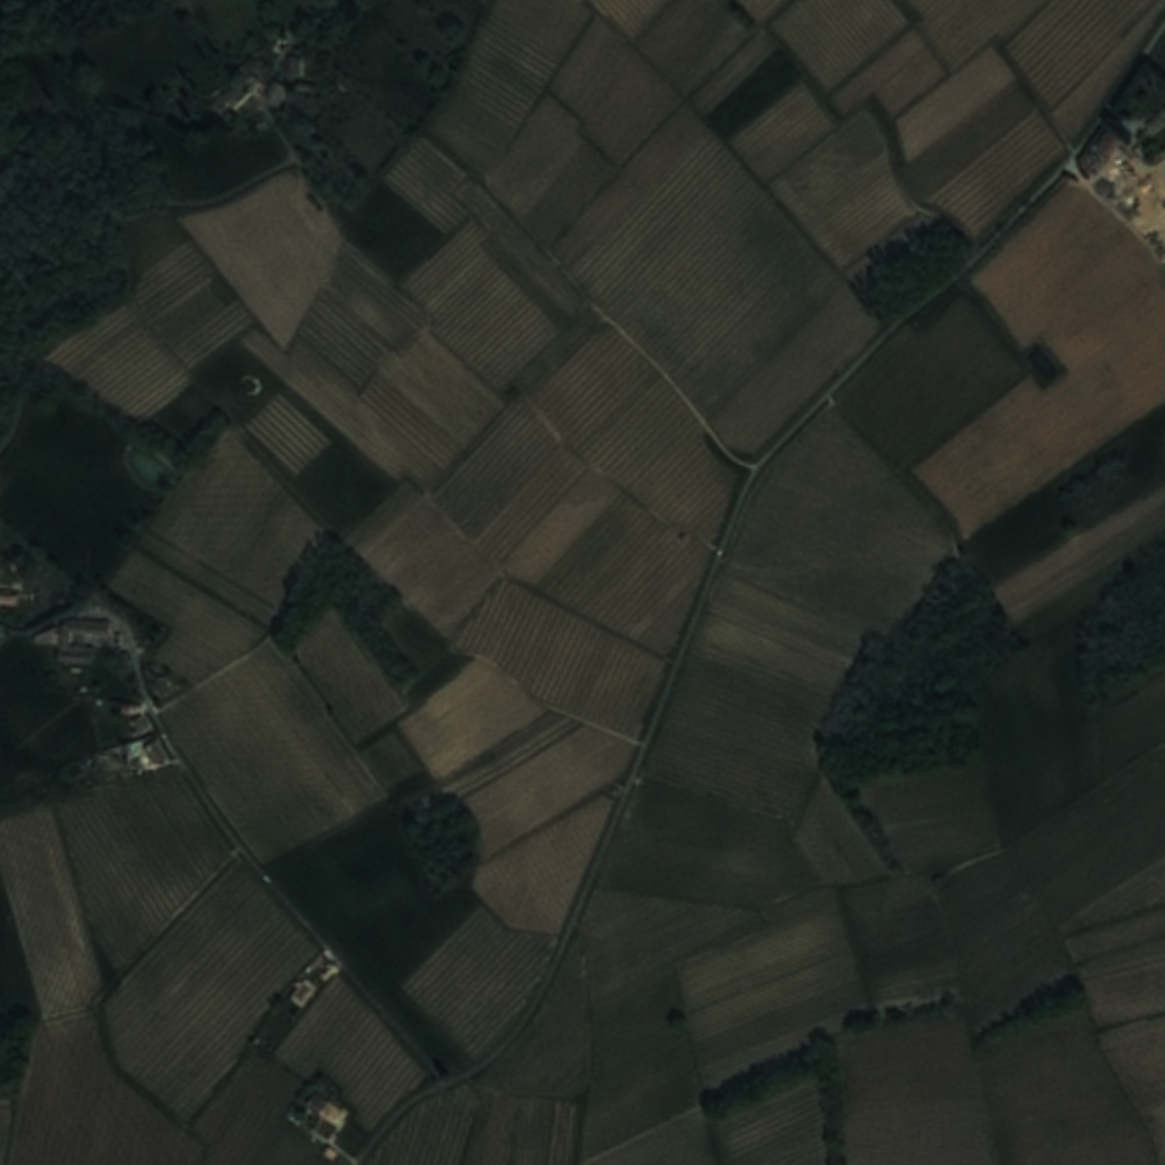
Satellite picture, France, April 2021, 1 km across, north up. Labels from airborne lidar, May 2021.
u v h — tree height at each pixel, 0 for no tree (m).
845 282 0
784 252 0
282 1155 0
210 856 0
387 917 0
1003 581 0
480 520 0
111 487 0
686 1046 0
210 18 0
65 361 0
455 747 0
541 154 0
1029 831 0
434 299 0
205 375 0
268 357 0
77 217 19
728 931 0
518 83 0
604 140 0
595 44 0
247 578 0
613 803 0
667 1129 0
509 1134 0
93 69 18
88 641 8
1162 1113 0
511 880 0
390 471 0
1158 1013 0
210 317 0
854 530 0
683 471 0
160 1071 0
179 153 0
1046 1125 0
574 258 0
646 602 0
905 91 0
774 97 0
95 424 0
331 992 0
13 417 13
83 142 27
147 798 0
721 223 0
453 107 0
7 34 17
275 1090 0
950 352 0
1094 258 0
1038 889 0
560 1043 0
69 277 21
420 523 0
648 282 0
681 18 0
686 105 0
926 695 23
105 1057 0
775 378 0
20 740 0
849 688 14
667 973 0
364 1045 0
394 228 0
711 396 0
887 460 0
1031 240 0
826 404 0
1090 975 0
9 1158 0
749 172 0
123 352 0
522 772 0
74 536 0
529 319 0
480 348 0
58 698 0
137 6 21
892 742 25
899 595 0
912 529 0
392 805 0
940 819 0
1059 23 0
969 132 0
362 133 0
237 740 0
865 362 0
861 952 0
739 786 0
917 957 0
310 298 0
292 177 0
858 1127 0
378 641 14
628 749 0
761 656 0
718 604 0
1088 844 0
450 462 0
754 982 0
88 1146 0
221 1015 0
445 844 16
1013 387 0
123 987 0
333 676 0
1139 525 0
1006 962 0
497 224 0
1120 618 13
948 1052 0
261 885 0
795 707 0
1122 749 0
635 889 0
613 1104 0
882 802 0
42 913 0
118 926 0
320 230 0
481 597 0
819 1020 0
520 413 0
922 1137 0
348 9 13
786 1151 0
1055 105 0
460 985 0
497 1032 0
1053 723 0
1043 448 0
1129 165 0
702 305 0
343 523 0
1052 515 0
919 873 0
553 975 0
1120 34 0
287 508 0
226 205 0
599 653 0
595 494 0
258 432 0
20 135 22
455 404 0
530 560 0
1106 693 14
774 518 0
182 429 0
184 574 0
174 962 0
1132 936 0
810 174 0
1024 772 0
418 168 0
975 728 20
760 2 0
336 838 0
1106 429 0
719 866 0
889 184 0
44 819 0
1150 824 0
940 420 0
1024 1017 11
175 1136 0
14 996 0
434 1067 0
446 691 0
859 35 0
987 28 0
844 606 0
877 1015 8
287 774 0
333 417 0
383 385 0
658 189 0
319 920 0
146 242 0
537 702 0
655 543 0
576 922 0
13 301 23
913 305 19
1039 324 0
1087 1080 0
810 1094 0
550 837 0
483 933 0
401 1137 0
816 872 0
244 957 0
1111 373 0
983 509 0
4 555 10
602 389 0
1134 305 0
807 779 0
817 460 0
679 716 0
